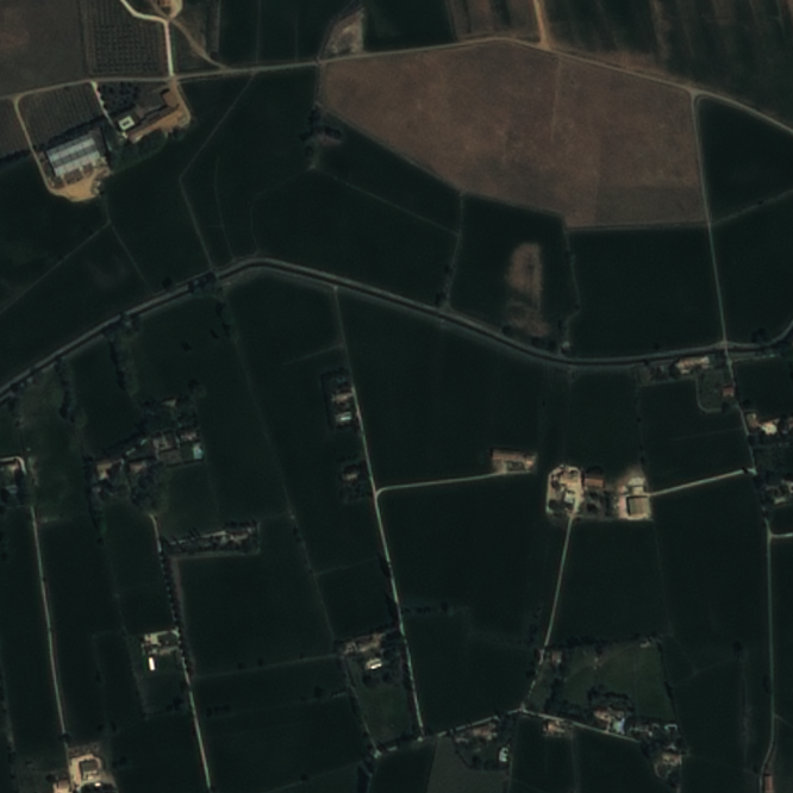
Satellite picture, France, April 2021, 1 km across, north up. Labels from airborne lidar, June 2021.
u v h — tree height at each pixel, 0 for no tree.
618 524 0
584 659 0
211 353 0
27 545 0
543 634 17
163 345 0
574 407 0
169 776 0
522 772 0
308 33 0
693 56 0
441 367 0
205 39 0
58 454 0
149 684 0
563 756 0
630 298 0
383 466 0
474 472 0
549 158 0
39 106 0
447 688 0
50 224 0
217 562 0
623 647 0
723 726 0
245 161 0
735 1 0
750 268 0
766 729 0
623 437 0
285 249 0
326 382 7
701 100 0
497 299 0
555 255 0
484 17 0
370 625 0
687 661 0
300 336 0
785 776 0
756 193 0
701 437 0
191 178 0
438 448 0
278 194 0
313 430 0
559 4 0
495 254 0
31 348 0
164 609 0
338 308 0
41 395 0
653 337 0
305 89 0
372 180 0
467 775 0
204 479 0
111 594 0
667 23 0
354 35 0
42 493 0
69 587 0
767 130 0
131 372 25
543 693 0
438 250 0
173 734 0
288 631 0
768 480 14
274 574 0
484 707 0
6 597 0
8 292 0
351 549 0
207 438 0
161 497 32
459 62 0
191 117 0
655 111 0
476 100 0
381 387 0
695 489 0
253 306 0
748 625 0
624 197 0
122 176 0
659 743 11
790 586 0
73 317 0
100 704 0
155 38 0
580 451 0
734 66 0
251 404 0
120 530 0
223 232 0
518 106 0
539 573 0
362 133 0
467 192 0
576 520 6
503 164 0
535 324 0
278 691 0
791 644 0
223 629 0
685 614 0
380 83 0
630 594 0
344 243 0
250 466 0
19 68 0
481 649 0
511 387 0
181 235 0
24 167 0
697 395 0
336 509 0
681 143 0
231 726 0
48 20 0
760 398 0
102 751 0
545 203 0
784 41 0
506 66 0
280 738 0
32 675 0
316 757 0
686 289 0
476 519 0
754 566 0
